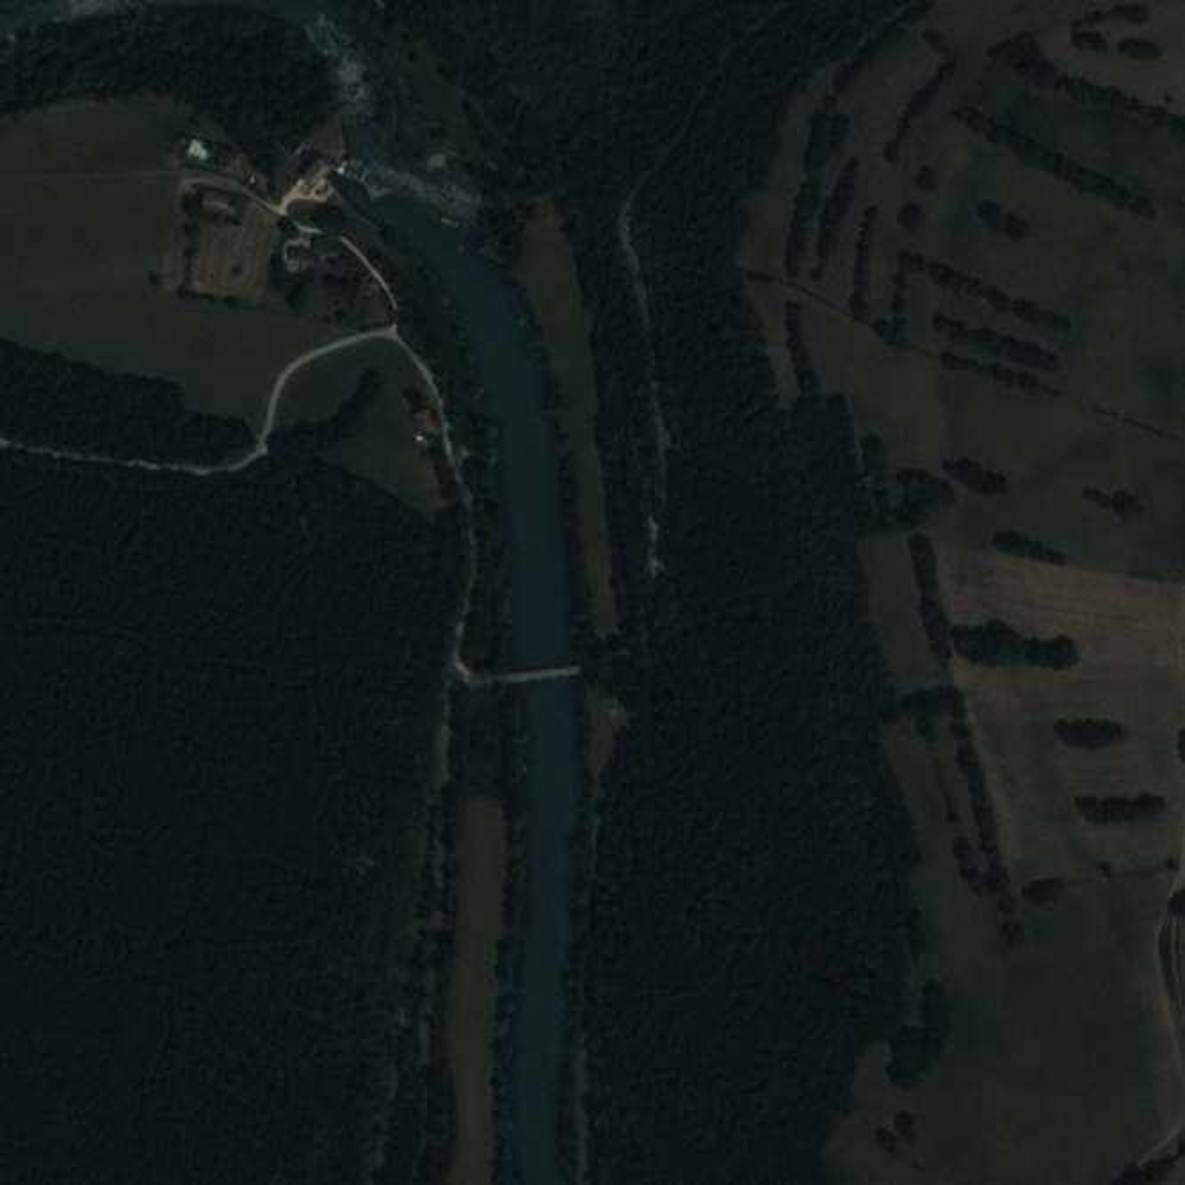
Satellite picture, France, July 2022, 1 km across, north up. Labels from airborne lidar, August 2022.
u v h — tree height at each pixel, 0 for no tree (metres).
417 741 7
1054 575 0
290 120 12
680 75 18
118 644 21
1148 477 0
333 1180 18
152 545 22
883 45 11
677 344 18
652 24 27
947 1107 0
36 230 0
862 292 9
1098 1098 0
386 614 16
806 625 16
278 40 16
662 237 14
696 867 9
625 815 10
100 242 0
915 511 19
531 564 0
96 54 15
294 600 21
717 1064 20
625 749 24
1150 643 0
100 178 0
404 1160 18
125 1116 15
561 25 13
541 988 0
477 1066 0
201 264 0
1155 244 0
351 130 0
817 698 19
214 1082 19
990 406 0
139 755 15
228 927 17
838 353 0
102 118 0
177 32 20
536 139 21
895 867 13
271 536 19
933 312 0
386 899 18
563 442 22
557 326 0
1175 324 0
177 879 17
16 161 0
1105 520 0
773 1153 16
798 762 19
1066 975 0
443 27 18
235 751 14
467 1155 0
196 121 12
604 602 0
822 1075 20
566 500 14
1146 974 0
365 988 17
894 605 0
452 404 17
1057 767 0
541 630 0
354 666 13
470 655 7
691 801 20
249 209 0
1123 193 12
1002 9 0
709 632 24
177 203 0
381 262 13
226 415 0
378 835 14
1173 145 0
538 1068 0
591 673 24
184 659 13
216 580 15
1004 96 0
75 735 16
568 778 0
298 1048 16
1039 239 0
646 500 25
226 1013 19
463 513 23
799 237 14
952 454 0
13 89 12
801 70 18
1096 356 0
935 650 12
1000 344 14
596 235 17
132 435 24
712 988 24
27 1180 21
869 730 18
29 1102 18
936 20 0
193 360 0
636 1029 15
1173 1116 0
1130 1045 0
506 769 14
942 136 0
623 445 28
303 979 8
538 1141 0
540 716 0
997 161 0
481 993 0
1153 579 0
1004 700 0
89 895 19
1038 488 0
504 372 0
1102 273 0
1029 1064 0
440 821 20
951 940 0
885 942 22
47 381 23
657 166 16
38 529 21
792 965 20
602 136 22
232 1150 20
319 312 0
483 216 8
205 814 17
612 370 19
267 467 9
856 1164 0
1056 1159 0
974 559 0
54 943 17
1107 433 0
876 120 0
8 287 0
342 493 27
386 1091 14
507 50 7
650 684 10
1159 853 0
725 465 15
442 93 0
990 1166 0
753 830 22
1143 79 0
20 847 15
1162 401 0
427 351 21
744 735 17
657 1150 14
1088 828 0
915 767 0
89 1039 18
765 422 16
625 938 24
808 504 14
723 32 19
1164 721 0
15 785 24
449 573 11
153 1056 13
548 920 0
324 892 15
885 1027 16
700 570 21
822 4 19
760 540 15
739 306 15
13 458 13
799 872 17
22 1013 17
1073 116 0
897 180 0
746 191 14
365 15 18
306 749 16
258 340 0
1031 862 0
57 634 22
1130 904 0
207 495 18
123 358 0
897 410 0
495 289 0
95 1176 15
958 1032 0
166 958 21
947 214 0
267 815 16
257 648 12
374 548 23
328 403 0
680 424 17
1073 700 0
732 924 26
